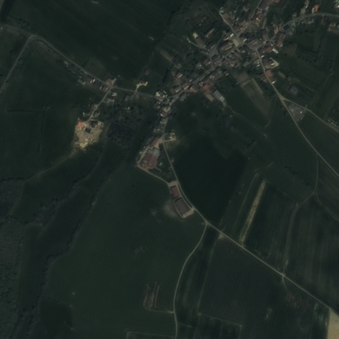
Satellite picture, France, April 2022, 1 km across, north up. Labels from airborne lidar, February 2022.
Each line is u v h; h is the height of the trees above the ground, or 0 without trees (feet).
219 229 0
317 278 0
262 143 0
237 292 0
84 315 0
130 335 0
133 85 0
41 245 0
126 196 0
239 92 0
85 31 0
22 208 0
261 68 0
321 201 0
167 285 0
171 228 0
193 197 0
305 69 0
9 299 74
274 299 0
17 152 0
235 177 0
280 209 0
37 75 0
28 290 0
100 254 0
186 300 0
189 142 0
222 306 0
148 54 0
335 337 0
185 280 0
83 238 0
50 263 50
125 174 0
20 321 35
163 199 0
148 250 0
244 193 0
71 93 0
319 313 0
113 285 0
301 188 0
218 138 0
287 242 0
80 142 0
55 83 0
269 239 0
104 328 0
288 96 0
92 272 0
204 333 0
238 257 0
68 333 0
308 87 0
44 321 0
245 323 0
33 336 0
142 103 0
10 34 0
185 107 0
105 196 0
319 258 0
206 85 0
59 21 0
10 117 0
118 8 0
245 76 0
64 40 0
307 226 0
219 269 0
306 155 0
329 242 0
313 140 0
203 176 0
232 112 0
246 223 0
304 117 0
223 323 0
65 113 0
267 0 0
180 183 0
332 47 0
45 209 74
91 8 0
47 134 0
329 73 0
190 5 17
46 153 0
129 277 0
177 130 0
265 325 0
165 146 0
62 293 0
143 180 0
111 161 0
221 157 0
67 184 0
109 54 0
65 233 0
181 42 0
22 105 0
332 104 0
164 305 0
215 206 0
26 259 0
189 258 0
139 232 0
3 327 90
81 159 0
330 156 0
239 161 0
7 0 0
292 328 0
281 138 0
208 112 0
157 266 0
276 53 0
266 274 0
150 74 0
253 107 0
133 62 0
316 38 0
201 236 0
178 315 0
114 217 0
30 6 0
